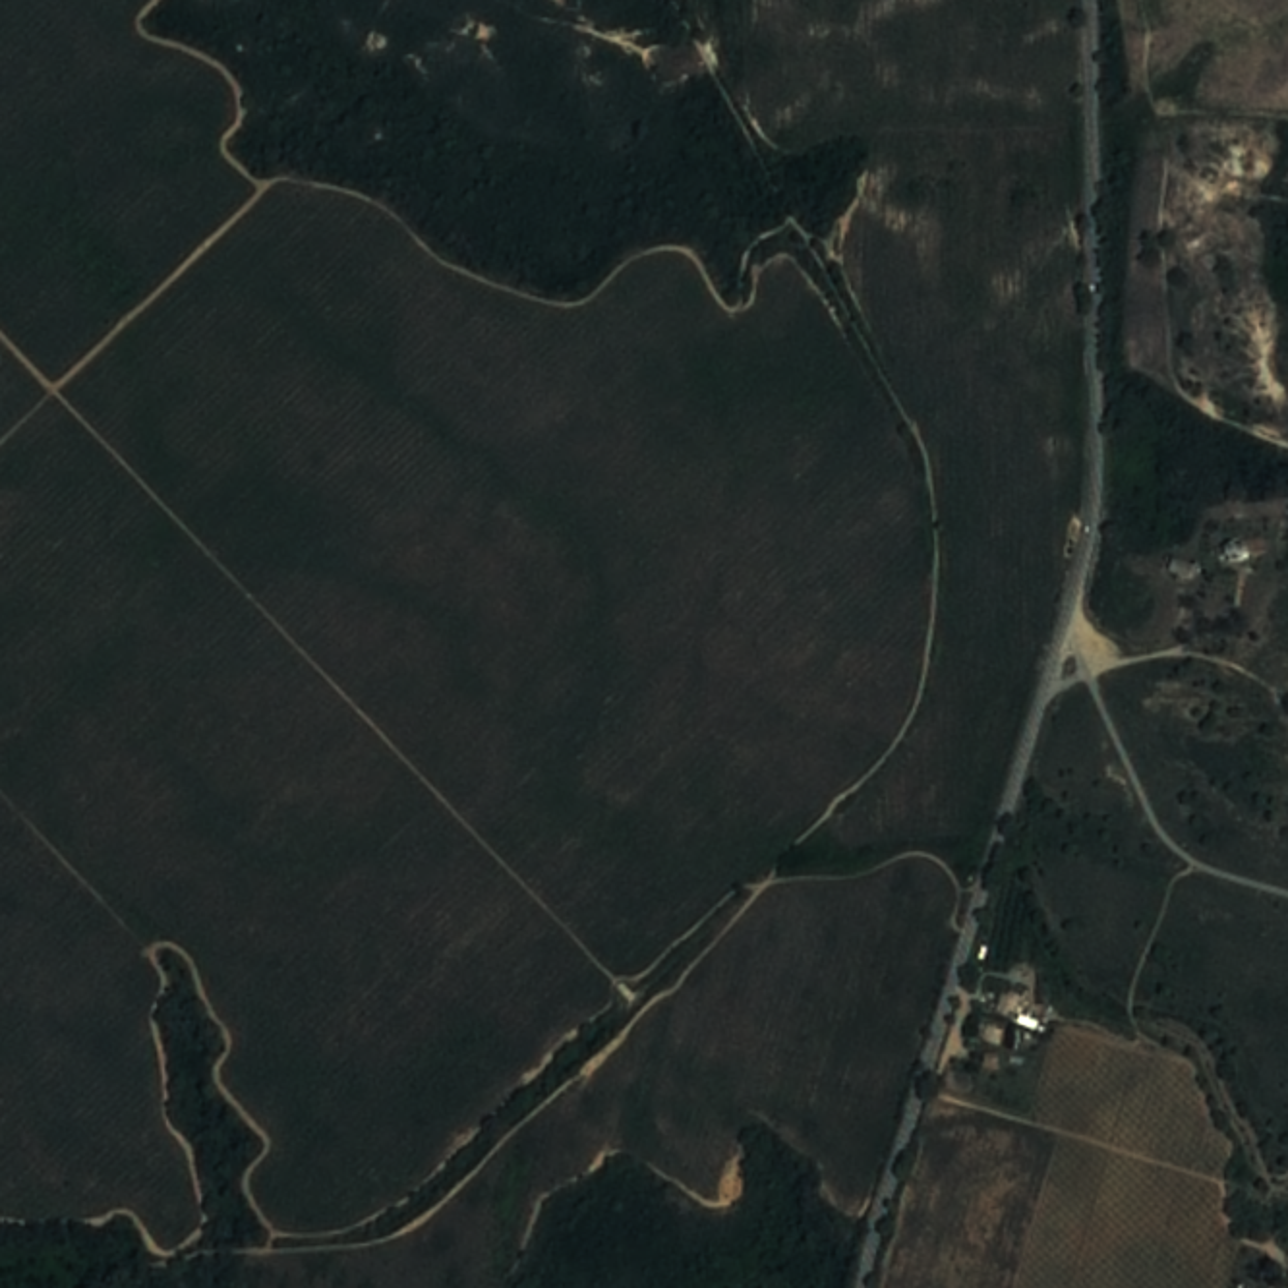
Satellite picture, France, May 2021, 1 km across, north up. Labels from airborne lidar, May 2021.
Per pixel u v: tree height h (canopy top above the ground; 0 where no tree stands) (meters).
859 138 7
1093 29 0
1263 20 0
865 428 0
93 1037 0
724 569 0
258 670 0
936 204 0
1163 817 0
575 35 0
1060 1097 0
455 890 0
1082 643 0
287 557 0
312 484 0
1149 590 0
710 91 11
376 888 0
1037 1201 0
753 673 0
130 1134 0
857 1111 0
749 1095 0
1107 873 0
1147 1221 0
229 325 0
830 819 0
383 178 7
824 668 0
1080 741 0
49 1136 0
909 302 0
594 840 0
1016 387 0
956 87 0
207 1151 6
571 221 5
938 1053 0
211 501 0
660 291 0
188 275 0
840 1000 0
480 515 0
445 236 8
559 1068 9
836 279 7
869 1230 8
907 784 0
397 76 6
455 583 0
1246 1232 11
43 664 0
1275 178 0
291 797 0
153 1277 8
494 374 0
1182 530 7
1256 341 0
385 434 0
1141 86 0
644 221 7
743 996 0
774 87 0
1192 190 0
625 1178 8
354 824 0
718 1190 0
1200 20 0
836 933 0
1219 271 11
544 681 0
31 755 0
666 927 0
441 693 0
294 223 0
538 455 0
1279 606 0
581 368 0
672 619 0
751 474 0
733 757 0
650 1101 0
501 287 0
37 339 0
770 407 0
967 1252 0
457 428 0
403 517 0
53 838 0
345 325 0
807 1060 0
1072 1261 0
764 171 9
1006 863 14
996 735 0
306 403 0
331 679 0
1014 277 0
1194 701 0
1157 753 0
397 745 0
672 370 0
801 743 0
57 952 0
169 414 0
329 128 6
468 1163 7
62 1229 16
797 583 0
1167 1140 0
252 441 0
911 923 0
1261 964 0
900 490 0
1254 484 22
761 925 0
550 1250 6
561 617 0
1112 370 7
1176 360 0
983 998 0
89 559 0
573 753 0
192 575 0
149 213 0
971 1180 0
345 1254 0
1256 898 0
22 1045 0
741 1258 5
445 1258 0
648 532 0
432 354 0
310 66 8
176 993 10
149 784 0
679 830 0
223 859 0
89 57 0
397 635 0
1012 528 0
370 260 0
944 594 0
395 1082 0
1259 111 0
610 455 0
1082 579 0
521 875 0
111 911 0
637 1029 0
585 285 9
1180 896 0
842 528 0
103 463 0
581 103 5
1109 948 0
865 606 0
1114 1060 0
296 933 0
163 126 0
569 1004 0
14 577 0
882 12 0
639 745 0
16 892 0
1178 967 6
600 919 0
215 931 0
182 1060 5
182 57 0
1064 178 0
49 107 0
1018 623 0
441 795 0
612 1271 7
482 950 0
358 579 0
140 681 0
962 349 0
